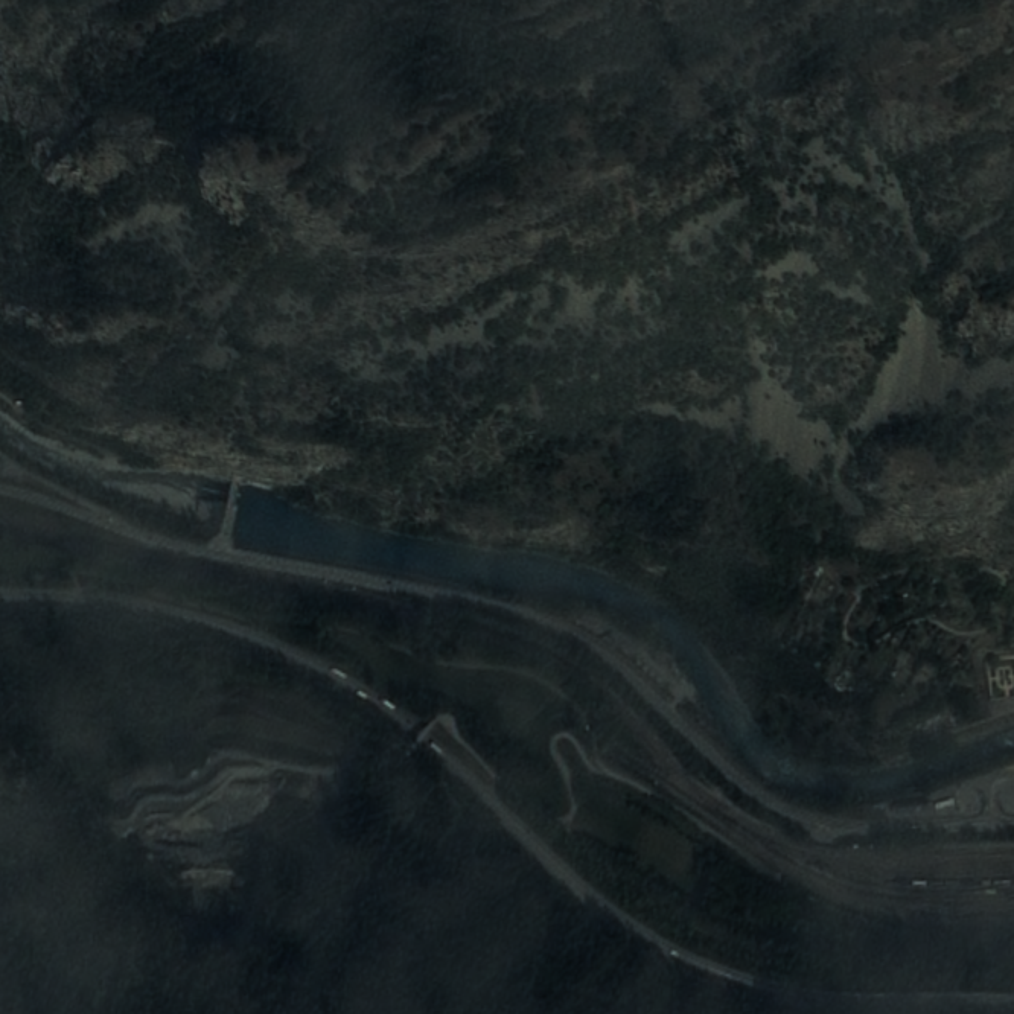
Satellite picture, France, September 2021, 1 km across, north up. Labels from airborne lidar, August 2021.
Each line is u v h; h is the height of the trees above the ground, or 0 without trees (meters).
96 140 8
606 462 9
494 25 9
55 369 15
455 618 10
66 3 8
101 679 17
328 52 17
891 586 9
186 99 11
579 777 0
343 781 0
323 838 0
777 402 0
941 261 9
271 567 0
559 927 22
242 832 0
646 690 0
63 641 17
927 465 0
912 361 0
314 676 7
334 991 28
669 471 11
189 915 0
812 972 13
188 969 31
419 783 11
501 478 9
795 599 11
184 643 16
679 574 6
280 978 30
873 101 7
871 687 6
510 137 20
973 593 14
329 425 8
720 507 5
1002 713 0
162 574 14
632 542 8
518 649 15
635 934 0
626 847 0
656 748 0
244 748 0
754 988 0
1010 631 12
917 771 0
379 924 28
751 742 0
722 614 11
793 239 7
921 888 0
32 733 25
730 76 9
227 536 0
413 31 18
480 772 0
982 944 7
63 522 0
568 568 0
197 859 0
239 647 6
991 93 6
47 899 19
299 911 20
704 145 9
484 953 27
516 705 0
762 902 18
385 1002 24
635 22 16
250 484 0
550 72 13
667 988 13
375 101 22
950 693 6
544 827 9
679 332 5
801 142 11
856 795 14
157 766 0
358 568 0
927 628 5
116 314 14
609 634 0
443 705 11
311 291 7
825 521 11
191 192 9
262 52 9
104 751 0
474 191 17
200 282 6
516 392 6
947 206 9
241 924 0
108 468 0
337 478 6
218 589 18
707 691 0
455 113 8
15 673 19
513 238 7
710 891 16
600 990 22
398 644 12
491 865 30
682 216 8
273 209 7
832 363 7
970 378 0
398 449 16
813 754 21
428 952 27
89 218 7
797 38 7
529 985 27
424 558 0
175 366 12
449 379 7
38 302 9
